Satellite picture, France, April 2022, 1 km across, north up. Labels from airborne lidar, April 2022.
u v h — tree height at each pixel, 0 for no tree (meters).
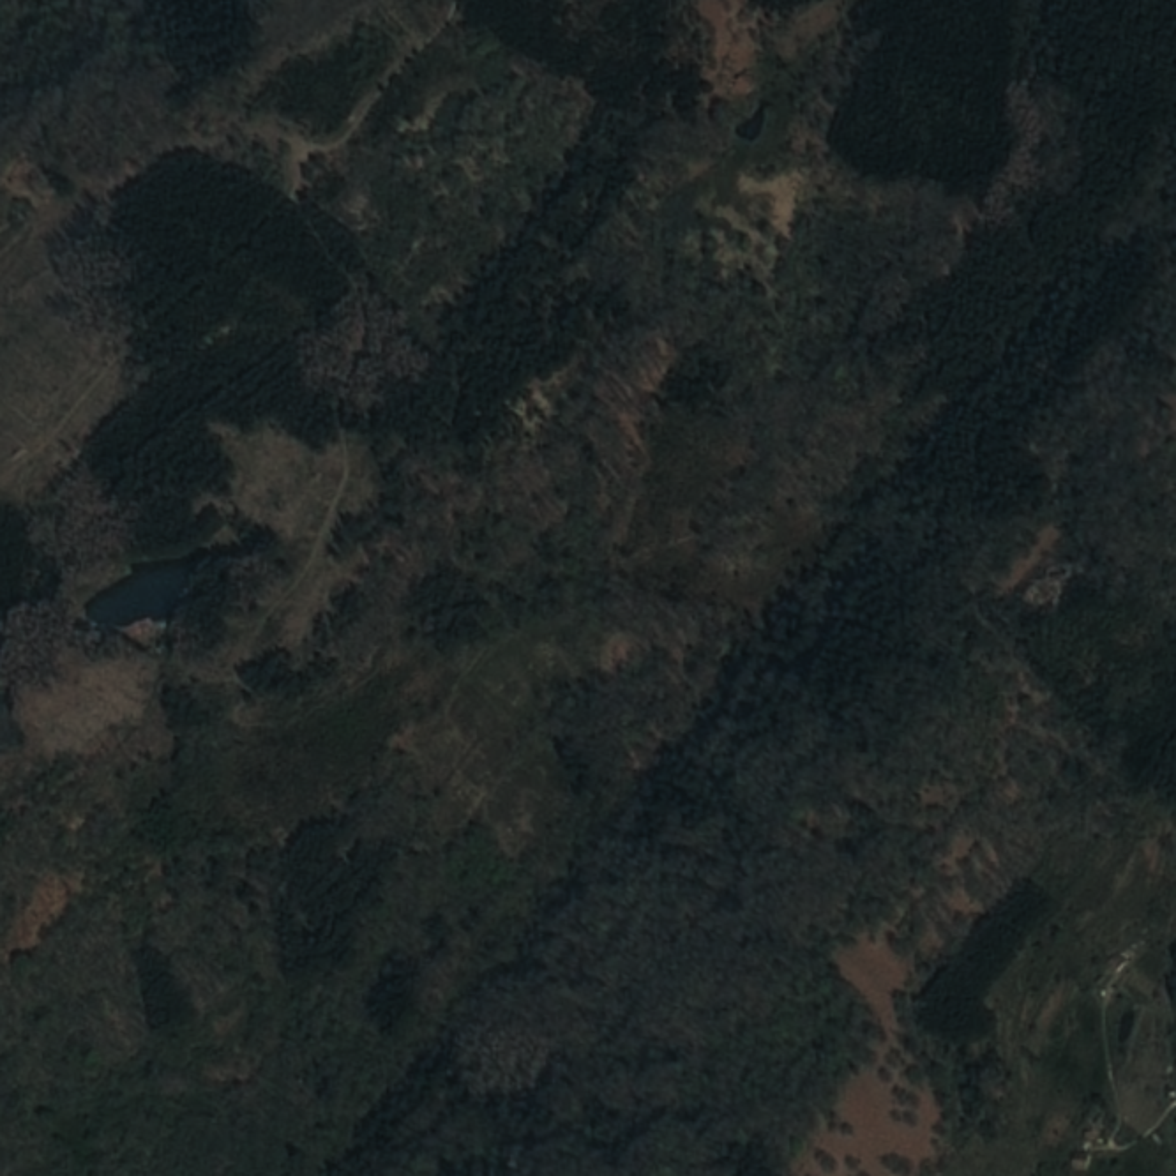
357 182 10
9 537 9
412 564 22
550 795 0
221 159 15
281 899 29
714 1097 19
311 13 0
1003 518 14
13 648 25
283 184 13
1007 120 21
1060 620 8
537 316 17
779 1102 20
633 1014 15
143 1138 16
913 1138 0
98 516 20
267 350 7
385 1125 15
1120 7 24
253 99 7
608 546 28
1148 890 0
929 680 16
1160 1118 0
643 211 16
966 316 21
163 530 28
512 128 13
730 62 7
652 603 38
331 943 28
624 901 34
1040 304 19
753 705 27
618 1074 23
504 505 18
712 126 22
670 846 31
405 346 25
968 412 22
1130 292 21
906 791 15
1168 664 9
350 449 0
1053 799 16
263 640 0
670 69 13
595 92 8
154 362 16
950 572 18
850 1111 0
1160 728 15
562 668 0
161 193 16
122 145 23
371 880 26
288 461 0
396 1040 30
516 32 11
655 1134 28
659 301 18
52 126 17
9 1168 24
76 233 0
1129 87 21
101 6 25
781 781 26
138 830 8
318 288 12
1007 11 12
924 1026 18
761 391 20
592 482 24
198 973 27
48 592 8
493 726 0
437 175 11
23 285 0
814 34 0
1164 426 7
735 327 26
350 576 0
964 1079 13
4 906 15
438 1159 26
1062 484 7
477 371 18
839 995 18
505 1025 27
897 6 13
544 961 32
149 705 0
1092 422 15
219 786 7
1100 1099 10
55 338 0
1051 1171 7
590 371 6
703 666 28
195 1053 7
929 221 30
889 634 24
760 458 21
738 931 34
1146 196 17
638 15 7
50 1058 22
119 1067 10
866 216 16
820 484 24
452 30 7
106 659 23
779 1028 18
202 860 28
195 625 27
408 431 16
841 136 13
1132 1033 0
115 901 9
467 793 0
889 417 26
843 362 27
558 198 16
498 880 22
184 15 20
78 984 22
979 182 12
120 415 16
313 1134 23
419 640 25
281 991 9
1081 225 21
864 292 22
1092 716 12
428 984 31
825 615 25
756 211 0
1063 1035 0
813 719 28
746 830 25
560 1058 21
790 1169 14
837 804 20
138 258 22
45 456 0
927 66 15
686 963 29
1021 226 19
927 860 10
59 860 15
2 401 0
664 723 33
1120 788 20
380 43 8
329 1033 9
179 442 17
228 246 16
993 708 10
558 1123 29
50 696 23
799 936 22
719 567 32
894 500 22
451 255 9
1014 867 21
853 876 18
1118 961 0
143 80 25
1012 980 0
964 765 13
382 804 27
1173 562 8
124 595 0
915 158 15
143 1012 28
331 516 0
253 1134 19
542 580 25
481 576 7
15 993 21
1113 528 13
